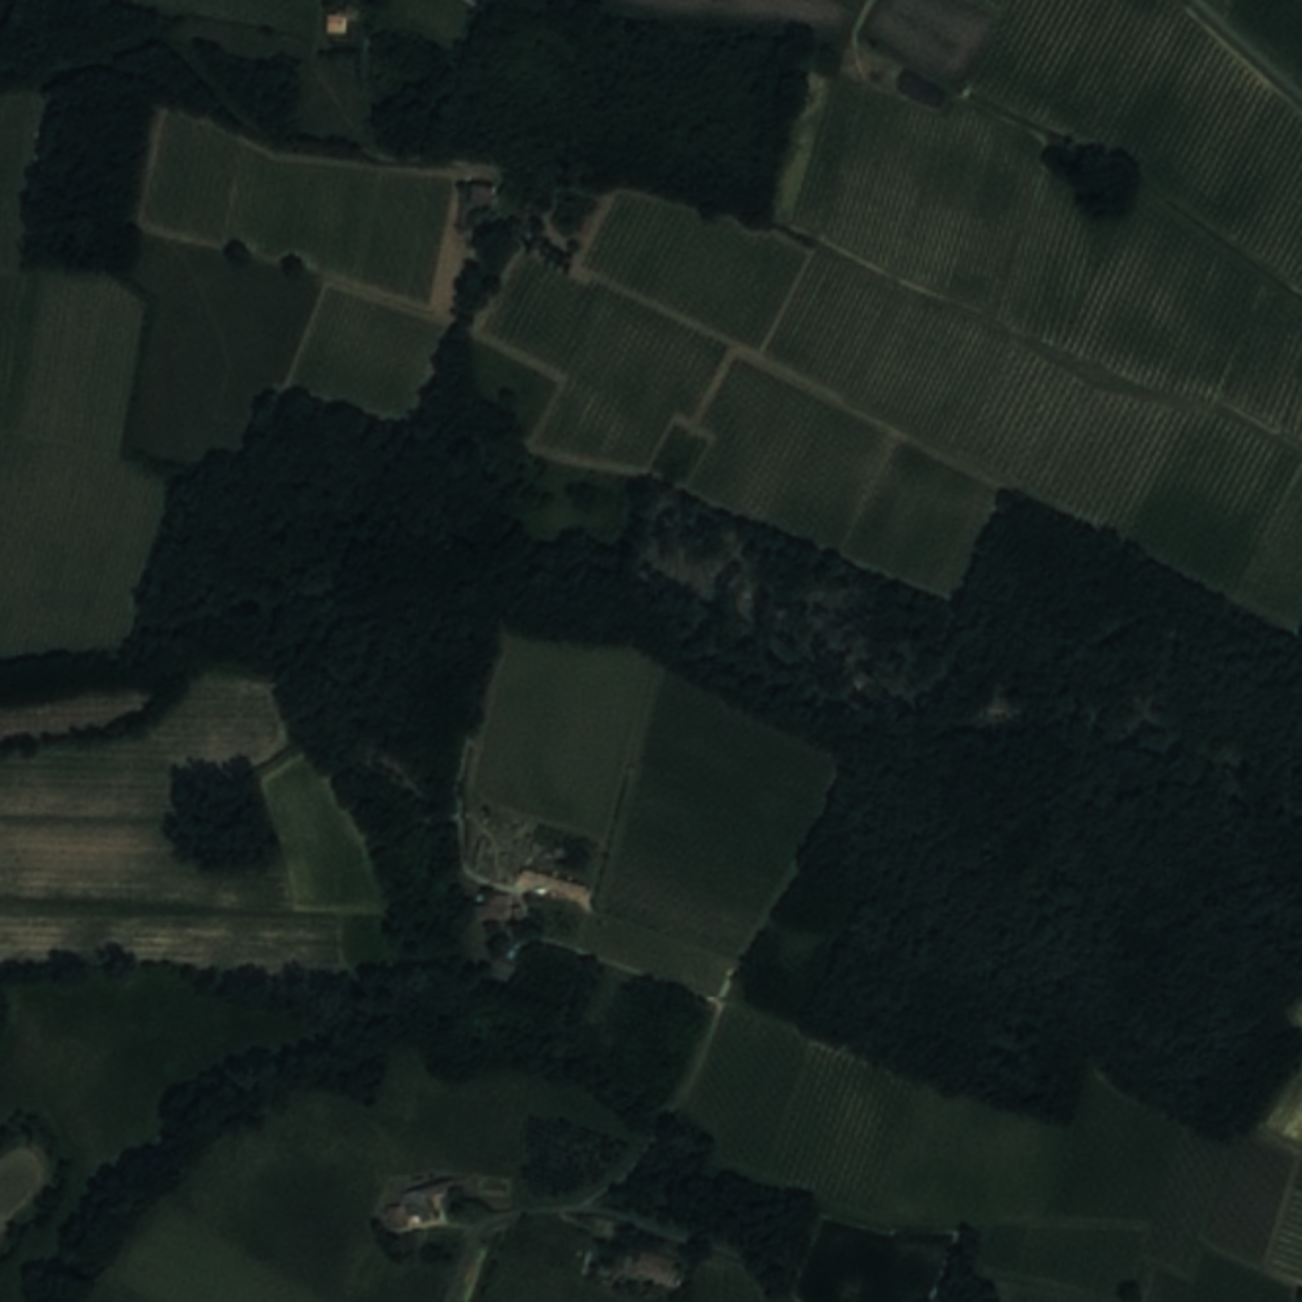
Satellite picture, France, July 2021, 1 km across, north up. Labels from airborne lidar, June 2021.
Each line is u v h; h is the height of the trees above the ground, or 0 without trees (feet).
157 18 48
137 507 0
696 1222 58
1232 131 0
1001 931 60
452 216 0
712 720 0
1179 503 0
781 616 102
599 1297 0
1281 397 0
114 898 0
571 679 0
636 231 0
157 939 0
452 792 31
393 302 0
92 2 72
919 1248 0
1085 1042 71
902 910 57
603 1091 40
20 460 0
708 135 20
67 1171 32
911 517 0
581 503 33
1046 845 68
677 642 68
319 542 62
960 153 0
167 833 0
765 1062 0
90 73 39
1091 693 80
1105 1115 0
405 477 98
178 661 73
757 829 0
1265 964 83
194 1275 0
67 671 46
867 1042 48
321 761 61
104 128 50
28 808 0
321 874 0
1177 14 0
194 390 0
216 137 0
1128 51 0
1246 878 58
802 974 28
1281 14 0
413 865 22
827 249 0
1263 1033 73
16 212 0
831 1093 0
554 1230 0
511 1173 0
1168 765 78
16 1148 0
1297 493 0
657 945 0
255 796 100
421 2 0
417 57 25
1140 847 72
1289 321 0
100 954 0
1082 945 53
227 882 0
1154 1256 0
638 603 77
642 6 0
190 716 0
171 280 0
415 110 56
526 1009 52
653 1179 56
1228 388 0
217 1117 85
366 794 36
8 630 0
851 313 0
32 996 0
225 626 70
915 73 0
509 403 28
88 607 0
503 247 67
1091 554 58
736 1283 0
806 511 0
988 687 75
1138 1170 0
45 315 0
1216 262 0
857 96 0
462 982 79
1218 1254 0
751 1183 23
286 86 51
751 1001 22
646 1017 50
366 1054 49
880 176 0
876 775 61
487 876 0
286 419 84
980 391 0
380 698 72
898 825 63
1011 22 0
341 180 0
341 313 0
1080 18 0
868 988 56
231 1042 0
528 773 0
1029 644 73
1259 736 69
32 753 88
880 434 0
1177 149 0
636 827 0
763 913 0
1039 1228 0
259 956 0
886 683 91
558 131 19
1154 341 0
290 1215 0
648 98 21
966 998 64
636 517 29
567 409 0
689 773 0
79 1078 0
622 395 0
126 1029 0
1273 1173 0
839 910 34
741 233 0
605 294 0
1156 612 66
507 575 75
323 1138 0
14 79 65
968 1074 56
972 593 46
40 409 0
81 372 0
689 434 0
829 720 73
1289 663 79
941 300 0
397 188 0
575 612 65
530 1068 54
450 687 49
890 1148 0
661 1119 34
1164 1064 66
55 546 0
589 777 0
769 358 0
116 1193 73
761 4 0
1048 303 0
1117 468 0
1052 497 0
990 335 0
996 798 68
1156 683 62
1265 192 0
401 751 67
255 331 0
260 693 0
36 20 64
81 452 0
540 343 0
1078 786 69
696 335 0
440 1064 71
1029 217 0
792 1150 0
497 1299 0
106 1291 0
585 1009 30
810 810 0
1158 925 68
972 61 0
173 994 0
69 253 69
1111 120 0
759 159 35
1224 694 98
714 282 0
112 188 75
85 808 0
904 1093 0
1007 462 0
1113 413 0
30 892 0
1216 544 0
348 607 65
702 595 62
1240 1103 73
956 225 0
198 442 0
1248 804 47
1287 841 69
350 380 0
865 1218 0
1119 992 59
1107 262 0
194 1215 0
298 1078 63
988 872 75
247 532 89
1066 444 0
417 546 74
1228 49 0
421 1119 0
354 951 0
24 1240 35
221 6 0
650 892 0
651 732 0
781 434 0
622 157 24
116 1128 0
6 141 0
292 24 0
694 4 0
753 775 0
